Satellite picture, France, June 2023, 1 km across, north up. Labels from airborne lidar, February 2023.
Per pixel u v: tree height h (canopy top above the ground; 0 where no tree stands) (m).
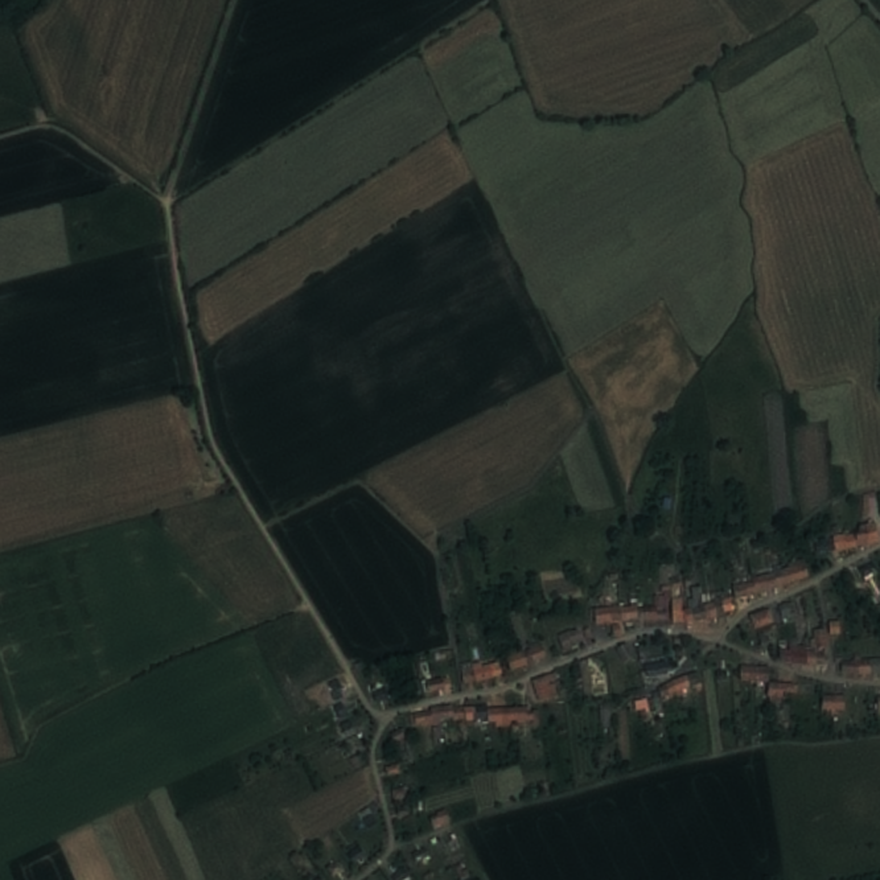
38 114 0
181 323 0
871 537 0
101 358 0
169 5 0
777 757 0
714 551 9
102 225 0
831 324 0
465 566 0
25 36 0
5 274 0
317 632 0
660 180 0
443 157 0
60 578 0
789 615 0
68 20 0
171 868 0
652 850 0
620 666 0
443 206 0
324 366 0
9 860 0
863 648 0
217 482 0
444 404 0
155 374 0
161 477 0
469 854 0
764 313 0
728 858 0
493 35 0
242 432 0
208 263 0
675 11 0
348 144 0
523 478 0
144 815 0
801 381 0
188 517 0
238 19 0
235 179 0
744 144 0
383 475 0
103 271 0
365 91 0
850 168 0
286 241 0
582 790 0
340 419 0
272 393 0
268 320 0
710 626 0
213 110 0
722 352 0
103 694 0
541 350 0
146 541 0
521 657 0
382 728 0
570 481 0
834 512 0
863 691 0
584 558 0
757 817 0
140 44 0
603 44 0
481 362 0
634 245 0
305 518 0
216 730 0
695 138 0
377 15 0
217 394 0
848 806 0
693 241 0
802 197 0
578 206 0
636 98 0
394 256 0
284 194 0
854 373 0
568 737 0
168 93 0
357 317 0
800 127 0
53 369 0
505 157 0
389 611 0
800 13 0
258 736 0
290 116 0
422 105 0
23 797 0
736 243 0
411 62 0
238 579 0
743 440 0
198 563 0
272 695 0
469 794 0
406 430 0
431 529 0
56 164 0
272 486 0
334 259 0
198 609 0
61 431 0
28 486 0
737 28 0
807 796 0
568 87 0
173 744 0
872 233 0
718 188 0
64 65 0
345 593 0
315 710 0
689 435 0
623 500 0
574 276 0
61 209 0
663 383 0
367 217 0
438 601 0
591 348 0
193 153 0
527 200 0
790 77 0
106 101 0
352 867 9
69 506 0
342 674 0
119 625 0
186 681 0
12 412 0
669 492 0
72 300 0
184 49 0
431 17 0
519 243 0
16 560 0
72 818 0
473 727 0
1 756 0
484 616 7
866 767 0
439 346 0
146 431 0
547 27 0
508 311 0
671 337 0
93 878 0
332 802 0
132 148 0
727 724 9
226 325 0
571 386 0
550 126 0
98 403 0
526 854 0
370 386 0
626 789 0
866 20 0
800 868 0
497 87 0
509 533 8
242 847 0
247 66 0
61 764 0
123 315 0
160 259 0
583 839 0
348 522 0
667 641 10
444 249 0
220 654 0
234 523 0
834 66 0
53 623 0
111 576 0
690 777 0
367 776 0
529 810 0
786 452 0
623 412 0
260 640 0
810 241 0
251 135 0
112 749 0
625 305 0
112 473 0
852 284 0
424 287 0
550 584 0
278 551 0
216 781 0
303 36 0
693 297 0
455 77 0
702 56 0
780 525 16
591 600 0
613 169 0
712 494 0
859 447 0
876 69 0
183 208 0
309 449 0
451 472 0
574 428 0
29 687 0
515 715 0
